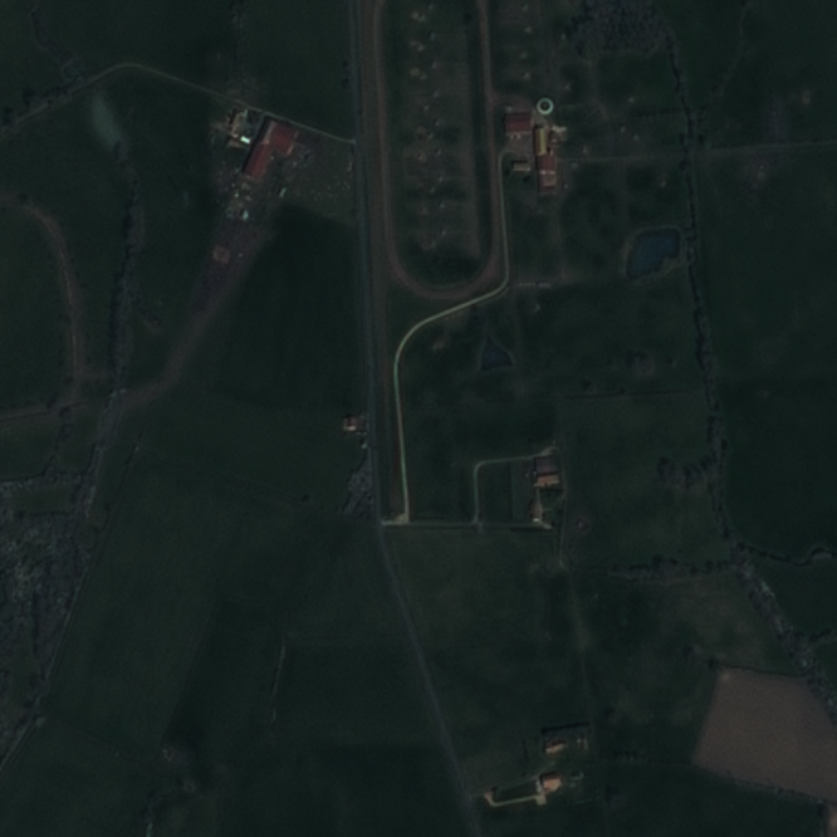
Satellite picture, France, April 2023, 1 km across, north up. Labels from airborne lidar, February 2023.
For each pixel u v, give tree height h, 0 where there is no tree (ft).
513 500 0
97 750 0
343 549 0
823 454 0
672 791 0
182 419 0
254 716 0
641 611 0
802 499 0
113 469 0
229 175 0
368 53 0
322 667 0
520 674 0
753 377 0
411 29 0
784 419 0
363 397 0
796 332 0
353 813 0
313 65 0
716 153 0
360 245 0
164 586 0
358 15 0
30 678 0
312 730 0
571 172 0
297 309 0
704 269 0
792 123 0
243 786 0
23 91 0
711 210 0
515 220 0
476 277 0
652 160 0
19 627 17
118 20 0
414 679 0
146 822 34
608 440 0
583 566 0
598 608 0
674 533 0
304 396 0
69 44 0
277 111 0
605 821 0
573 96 0
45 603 52
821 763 0
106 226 0
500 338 0
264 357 0
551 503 0
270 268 0
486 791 0
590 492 0
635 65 0
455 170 0
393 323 0
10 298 0
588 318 0
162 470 0
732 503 0
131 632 0
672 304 0
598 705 0
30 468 0
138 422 0
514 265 0
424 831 0
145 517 0
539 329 0
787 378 0
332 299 0
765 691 0
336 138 0
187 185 0
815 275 0
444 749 0
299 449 0
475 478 0
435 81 0
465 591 0
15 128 63
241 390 0
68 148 0
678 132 0
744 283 0
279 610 0
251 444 0
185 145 0
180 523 0
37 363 0
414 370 0
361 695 0
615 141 0
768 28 0
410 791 0
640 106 0
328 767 0
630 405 0
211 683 0
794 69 0
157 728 0
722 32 0
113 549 0
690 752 0
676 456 0
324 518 0
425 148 0
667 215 0
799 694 0
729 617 0
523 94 0
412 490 0
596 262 0
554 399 0
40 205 0
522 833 0
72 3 0
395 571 0
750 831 0
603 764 0
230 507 0
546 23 0
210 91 0
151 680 0
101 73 0
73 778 0
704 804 0
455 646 0
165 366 0
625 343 0
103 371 0
